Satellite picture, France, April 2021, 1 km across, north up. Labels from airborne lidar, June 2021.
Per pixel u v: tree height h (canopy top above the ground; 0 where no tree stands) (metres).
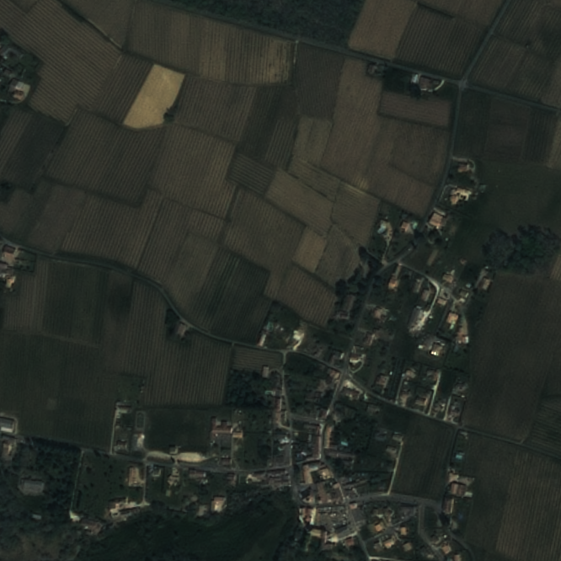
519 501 0
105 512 0
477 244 0
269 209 0
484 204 0
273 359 0
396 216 0
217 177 0
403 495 0
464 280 0
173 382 0
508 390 0
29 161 0
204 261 0
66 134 0
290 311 0
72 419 0
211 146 0
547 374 0
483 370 0
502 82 0
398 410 0
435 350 0
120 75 0
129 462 0
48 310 0
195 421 0
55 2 0
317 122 0
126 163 0
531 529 0
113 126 0
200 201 0
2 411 0
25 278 0
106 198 0
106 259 0
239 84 0
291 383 9
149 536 19
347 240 0
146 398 0
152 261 0
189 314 0
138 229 0
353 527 0
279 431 7
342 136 0
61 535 18
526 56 0
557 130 0
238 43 0
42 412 0
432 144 0
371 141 0
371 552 0
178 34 0
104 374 0
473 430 0
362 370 0
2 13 0
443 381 0
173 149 0
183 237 0
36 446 7
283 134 0
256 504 13
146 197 0
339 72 0
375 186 0
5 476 12
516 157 0
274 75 0
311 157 0
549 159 0
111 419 0
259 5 22
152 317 0
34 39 0
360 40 0
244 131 0
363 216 0
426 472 0
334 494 0
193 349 0
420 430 0
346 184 0
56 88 0
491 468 0
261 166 0
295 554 14
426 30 0
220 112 0
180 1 14
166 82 0
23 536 19
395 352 0
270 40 0
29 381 0
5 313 0
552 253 17
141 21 0
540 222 0
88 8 0
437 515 0
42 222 0
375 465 0
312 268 0
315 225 0
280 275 0
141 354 0
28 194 0
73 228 0
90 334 0
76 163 0
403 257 0
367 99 0
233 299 0
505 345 0
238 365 0
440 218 0
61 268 0
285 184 0
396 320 0
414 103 0
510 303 0
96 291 0
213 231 0
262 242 0
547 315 0
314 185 0
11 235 0
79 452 15
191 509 11
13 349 0
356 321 14
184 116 0
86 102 0
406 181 0
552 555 0
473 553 0
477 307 0
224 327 0
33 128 0
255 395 13
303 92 0
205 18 0
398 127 0
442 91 0
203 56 0
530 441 0
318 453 0
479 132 0
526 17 0
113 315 0
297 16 19
